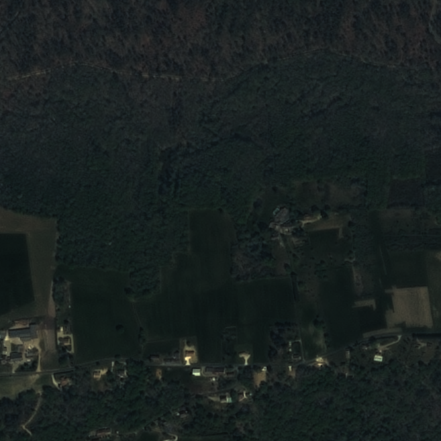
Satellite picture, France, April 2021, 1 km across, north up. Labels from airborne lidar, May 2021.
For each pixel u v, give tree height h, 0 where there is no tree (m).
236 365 0
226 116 12
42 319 0
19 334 0
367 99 18
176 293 0
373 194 17
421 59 10
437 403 24
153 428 12
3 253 0
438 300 0
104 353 0
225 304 0
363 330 0
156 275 11
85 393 13
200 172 18
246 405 6
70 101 18
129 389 20
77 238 14
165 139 16
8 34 17
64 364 15
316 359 0
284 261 0
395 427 13
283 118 20
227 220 0
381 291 0
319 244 0
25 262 0
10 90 7
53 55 10
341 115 19
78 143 16
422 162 17
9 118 20
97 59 10
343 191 0
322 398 17
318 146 14
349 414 22
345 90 22
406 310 0
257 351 0
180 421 11
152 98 15
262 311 0
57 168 14
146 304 0
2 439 23
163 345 0
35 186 17
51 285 0
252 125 6
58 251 9
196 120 17
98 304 0
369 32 9
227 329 0
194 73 15
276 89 18
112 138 21
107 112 17
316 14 21
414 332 0
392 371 17
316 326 13
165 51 16
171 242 11
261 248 9
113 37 14
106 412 21
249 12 19
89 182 18
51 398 19
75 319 0
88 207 15
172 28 13
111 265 15
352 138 20
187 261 0
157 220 21
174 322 0
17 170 17
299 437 16
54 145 16
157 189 18
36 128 12
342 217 0
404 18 18
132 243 18
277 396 20
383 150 23
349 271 0
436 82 8
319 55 21
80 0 20
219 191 20
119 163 16
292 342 8
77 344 0
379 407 22
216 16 11
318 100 24
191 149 22
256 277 6
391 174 8
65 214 14
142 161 15
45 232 0
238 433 14
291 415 20
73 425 18
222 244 0
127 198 16
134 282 8
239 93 25
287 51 24
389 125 15
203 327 0
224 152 22
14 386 0
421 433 19
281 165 16
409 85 17
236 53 14
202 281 0
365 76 20
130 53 11
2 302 0
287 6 11
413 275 0
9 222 0
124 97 15
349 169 20
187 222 11
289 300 0
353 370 15
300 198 0
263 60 21
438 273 0
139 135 19
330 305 0
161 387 15
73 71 19
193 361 0
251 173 18
